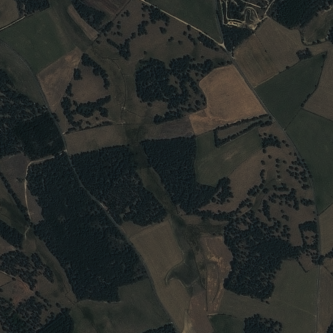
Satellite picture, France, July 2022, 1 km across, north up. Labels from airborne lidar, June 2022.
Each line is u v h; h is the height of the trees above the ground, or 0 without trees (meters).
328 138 0
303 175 14
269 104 0
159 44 0
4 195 0
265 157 0
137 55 0
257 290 15
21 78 0
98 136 0
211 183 0
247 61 0
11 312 17
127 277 18
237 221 15
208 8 0
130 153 7
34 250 0
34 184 15
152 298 0
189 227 0
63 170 17
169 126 0
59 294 0
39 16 0
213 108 0
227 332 0
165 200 0
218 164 0
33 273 18
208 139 0
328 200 0
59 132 6
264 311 0
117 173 18
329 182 0
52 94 0
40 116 9
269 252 17
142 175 0
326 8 14
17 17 0
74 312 0
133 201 17
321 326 0
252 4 0
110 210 18
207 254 0
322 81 0
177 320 0
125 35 0
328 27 0
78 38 0
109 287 15
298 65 0
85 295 17
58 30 0
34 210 0
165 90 19
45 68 0
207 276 0
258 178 0
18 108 20
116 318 0
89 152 12
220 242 0
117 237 11
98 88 0
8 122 18
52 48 0
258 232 17
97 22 15
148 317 0
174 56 0
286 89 0
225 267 0
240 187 0
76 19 0
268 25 0
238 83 0
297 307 0
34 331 16
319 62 0
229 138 14
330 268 0
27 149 8
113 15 0
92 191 20
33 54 0
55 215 14
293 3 17
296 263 0
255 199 0
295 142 0
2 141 19
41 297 12
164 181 19
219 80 0
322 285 0
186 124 0
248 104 0
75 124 13
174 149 13
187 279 0
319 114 0
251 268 20
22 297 0
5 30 0
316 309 0
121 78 0
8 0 0
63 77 0
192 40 16
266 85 0
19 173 0
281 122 0
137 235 0
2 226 12
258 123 16
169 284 0
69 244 16
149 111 0
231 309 0
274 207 0
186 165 16
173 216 0
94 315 0
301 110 0
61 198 18
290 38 0
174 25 0
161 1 0
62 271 0
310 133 0
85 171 18
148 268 0
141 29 12
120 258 15
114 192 20
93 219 16
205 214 20
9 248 0
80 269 16
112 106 0
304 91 0
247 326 15
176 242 0
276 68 0
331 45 0
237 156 0
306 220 0
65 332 17
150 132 0
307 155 0
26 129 11
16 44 0
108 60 0
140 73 18
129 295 0
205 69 19
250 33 10
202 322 0
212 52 0
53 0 0
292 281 0
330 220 0
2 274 0
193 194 15
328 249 0
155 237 0
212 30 0
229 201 11
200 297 0
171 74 17
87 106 17
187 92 17
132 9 0
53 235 15
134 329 0
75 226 15
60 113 0
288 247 10
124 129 0
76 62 0
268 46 0
